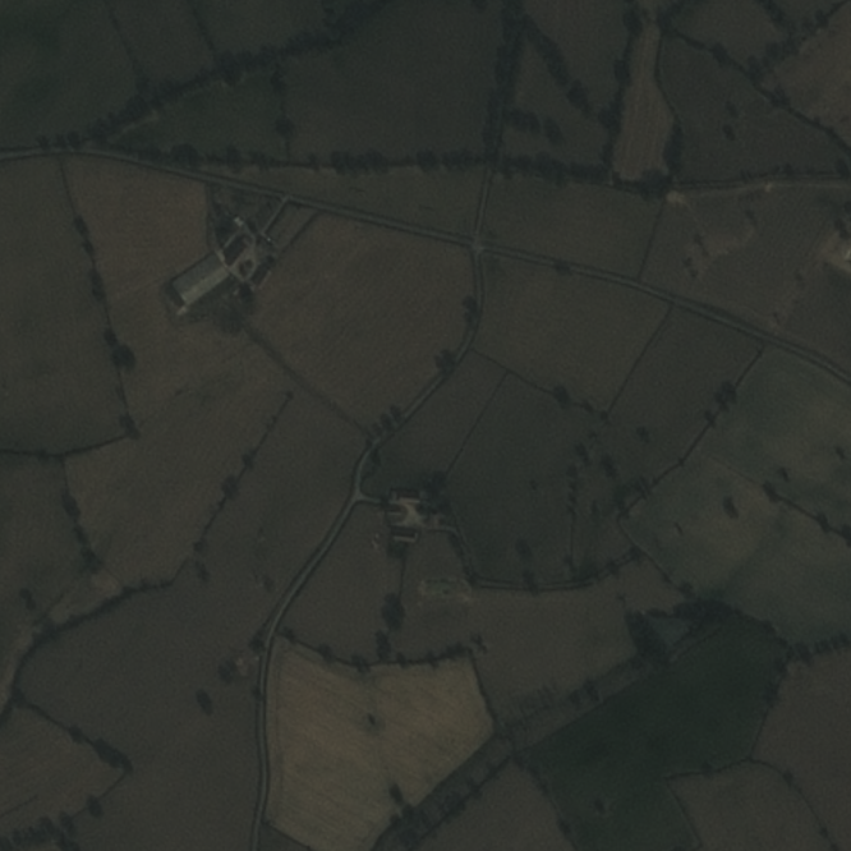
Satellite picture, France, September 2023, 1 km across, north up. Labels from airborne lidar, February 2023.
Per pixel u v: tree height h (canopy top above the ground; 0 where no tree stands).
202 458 0
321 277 0
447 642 0
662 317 0
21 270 0
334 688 0
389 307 0
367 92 0
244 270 10
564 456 0
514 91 13
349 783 0
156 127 0
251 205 0
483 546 0
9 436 0
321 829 0
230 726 0
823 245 0
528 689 0
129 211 0
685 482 0
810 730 0
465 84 0
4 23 0
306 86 0
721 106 0
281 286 0
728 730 0
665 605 0
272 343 0
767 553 0
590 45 0
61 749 0
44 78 0
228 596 0
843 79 0
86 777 0
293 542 0
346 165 16
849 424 0
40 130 0
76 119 0
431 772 0
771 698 14
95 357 0
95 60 0
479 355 0
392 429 10
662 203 0
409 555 0
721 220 0
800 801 0
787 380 0
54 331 0
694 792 0
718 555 0
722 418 0
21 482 0
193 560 0
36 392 0
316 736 0
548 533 0
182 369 0
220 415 0
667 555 0
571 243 0
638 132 0
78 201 0
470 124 0
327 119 0
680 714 0
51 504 0
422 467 0
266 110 0
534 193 0
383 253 0
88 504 0
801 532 0
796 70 0
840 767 0
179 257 0
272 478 0
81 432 0
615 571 13
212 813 0
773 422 0
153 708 0
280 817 0
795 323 0
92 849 0
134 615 0
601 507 0
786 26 11
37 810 0
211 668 0
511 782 0
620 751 0
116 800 0
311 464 0
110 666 0
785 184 0
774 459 0
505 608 0
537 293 0
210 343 0
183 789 0
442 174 0
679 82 0
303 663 0
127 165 0
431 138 0
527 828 0
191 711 0
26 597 13
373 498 0
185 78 0
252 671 0
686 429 0
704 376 0
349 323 0
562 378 0
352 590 0
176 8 0
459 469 0
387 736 0
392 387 0
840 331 0
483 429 0
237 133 0
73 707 0
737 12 0
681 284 0
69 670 0
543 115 0
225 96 0
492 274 0
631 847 0
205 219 0
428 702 0
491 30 0
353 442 0
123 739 0
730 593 0
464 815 0
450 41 0
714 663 0
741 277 0
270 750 0
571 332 0
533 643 0
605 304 0
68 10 0
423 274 0
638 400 0
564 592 0
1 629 0
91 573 0
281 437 0
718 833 0
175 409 0
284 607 0
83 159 0
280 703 0
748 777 0
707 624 14
